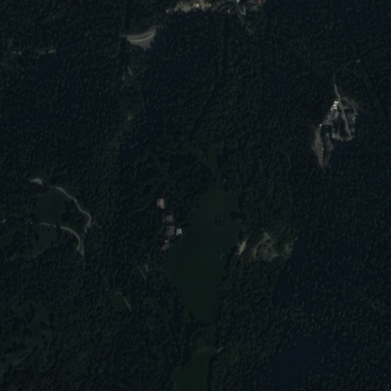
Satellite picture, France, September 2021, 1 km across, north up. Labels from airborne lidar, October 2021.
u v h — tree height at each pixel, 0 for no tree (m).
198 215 0
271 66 19
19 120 18
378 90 22
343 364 35
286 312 32
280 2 15
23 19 19
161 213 14
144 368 25
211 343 14
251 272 14
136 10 23
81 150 10
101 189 29
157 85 29
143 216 8
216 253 0
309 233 22
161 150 24
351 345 9
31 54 16
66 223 17
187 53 21
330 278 9
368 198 23
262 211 13
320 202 10
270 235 6
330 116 0
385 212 11
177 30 22
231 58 21
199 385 0
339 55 24
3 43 23
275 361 8
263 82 15
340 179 19
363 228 10
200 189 18
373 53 27
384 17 22
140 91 18
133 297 28
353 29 29
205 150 21
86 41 20
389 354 13
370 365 28
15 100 28
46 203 0
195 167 20
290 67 25
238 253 17
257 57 29
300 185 17
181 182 21
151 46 0
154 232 19
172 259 0
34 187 12
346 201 16
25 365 11
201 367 0
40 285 21
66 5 23
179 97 17
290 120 25
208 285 0
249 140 31
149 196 19
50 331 13
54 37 25
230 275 15
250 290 17
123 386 16
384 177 7
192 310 0
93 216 16
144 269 6
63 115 16
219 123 19
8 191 14
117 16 19
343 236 12
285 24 16
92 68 14
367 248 20
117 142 8
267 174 28
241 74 23
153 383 22
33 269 19
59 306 24
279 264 15
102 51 25
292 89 15
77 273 23
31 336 22
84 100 22
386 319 9
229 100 18
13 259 21
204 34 18
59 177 14
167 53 17
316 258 13
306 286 17
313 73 6
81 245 0
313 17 24
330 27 26
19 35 22
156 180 19
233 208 0
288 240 6
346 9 24
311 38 21
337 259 14
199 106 20
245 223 17
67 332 21
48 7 6
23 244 17
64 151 23
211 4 7
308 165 13
